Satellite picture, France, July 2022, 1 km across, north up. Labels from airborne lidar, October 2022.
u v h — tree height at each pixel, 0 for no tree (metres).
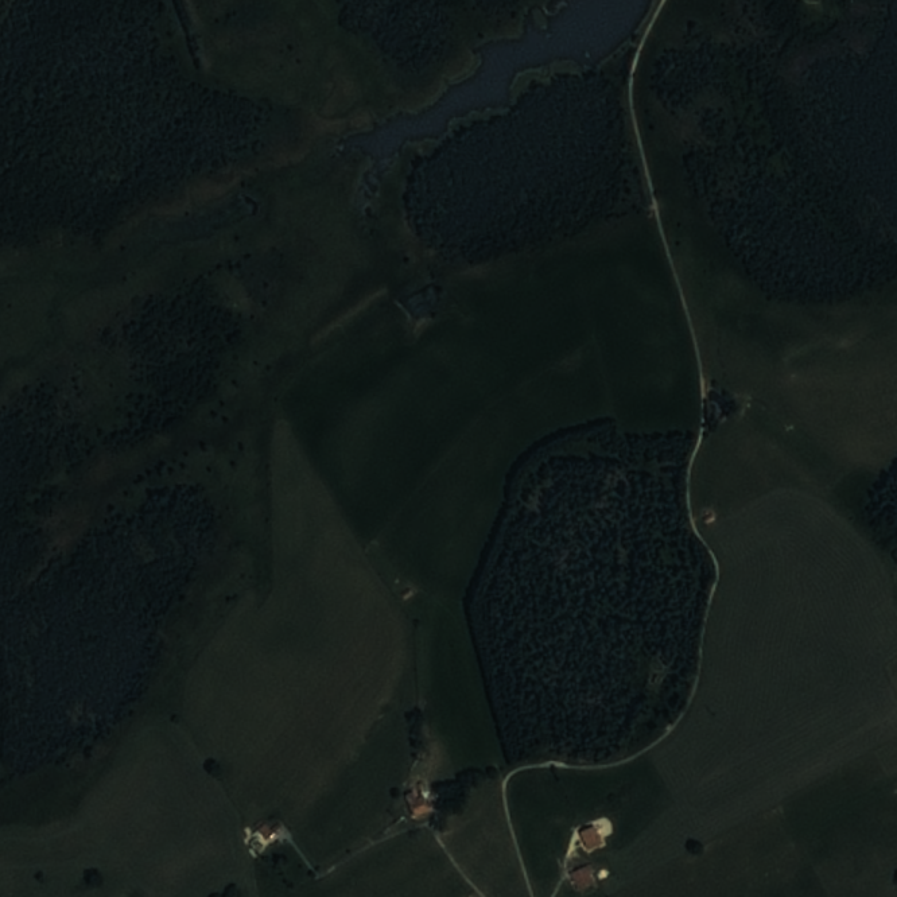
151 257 0
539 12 0
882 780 0
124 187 12
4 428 8
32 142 12
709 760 0
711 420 17
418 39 8
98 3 12
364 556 0
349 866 0
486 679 17
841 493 0
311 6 0
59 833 0
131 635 8
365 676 0
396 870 0
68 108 11
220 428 0
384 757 0
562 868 0
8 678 8
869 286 14
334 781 0
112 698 7
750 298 0
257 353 0
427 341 0
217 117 9
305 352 0
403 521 0
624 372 0
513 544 21
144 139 8
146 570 8
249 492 0
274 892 0
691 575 16
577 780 0
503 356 0
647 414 0
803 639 0
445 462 0
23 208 9
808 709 0
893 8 8
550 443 19
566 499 21
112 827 0
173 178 10
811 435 0
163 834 0
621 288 0
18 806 0
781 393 0
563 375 0
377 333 0
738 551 0
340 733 0
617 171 12
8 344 0
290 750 0
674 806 0
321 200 0
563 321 0
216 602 0
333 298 0
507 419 0
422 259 0
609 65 0
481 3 8
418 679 0
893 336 0
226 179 0
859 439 0
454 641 0
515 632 11
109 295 0
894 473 12
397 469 0
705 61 8
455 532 0
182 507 20
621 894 0
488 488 0
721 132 10
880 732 0
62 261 0
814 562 0
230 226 0
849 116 7
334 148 0
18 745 8
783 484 0
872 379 0
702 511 0
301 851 0
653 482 18
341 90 0
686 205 0
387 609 0
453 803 21
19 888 0
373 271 0
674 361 0
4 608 6
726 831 0
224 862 0
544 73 0
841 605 0
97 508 0
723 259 0
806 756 0
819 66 7
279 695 0
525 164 8
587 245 0
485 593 14
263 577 0
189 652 0
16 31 9
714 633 0
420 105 0
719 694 0
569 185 9
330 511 0
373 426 0
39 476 12
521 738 19
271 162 0
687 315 0
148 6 13
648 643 15
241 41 0
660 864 0
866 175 7
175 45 0
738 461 0
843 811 0
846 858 0
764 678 0
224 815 0
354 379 0
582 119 9
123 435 10
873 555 0
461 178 8
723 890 0
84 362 0
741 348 0
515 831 0
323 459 0
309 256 0
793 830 0
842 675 0
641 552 18
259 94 0
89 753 15
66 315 0
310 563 0
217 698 0
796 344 0
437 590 0
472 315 0
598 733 8
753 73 11
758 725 0
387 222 0
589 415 0
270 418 0
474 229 16
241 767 0
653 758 0
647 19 0
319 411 0
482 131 12
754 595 0
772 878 0
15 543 7
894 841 0
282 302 0
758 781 0
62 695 6
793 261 11
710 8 0
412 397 0
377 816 0
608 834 0
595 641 21
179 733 0
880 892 0
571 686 11
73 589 10
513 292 0
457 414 0
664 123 0
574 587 16
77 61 11
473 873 0
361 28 6
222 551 0
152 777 0
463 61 0
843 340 0
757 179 8
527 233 11
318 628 0
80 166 8
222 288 0
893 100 10
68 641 8
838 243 15
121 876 0
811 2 0
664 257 0
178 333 7
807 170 11
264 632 0
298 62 7
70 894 0
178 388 13
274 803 0
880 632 0
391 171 0
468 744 0
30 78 14
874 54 8
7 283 0
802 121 6
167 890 0
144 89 11
